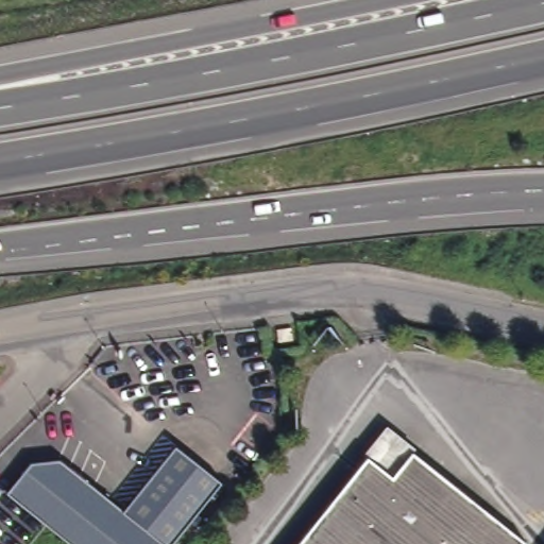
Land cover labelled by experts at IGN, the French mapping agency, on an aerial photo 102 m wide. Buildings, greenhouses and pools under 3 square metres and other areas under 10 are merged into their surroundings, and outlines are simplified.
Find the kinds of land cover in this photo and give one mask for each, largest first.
<instances>
[{"label":"impervious surface","instance_id":"1","mask_svg":"<svg viewBox=\"0 0 544 544\"><path fill-rule=\"evenodd\" d=\"M544 98V0H249L240 4L145 19L89 32L62 34L53 38L0 49V191L15 193L43 187H57L251 151L283 153L310 145H321L325 140H340L346 138V134L351 138H366L385 132H402L410 125L434 123V115L470 108L487 102H525ZM495 225H506V230L544 227V168L423 174L200 202L174 204L159 208H140L0 227V281L4 285H17L23 276H28L26 270L249 251L417 230L474 227L476 232H485L489 238H493L499 234ZM319 310L338 312L353 327L357 344L351 349L334 351L321 366H317L306 387L304 406L295 408V414L283 412L281 372L283 368H291L295 359L283 351L276 355H264L259 332L264 327L276 329L278 342H289L293 338V315ZM397 327H410L431 332L440 342L448 336H465L472 338L476 344L497 340L512 344L521 361L529 359L533 351L544 349V306H538L533 300H514L495 289H480L457 281L434 278L427 274L385 266L319 264L215 278H196L183 285L164 283L130 289H111L98 293H81L0 310V491H9L30 463L62 461L81 478H85L94 489H98L102 495L115 502L119 508H128L136 493L162 465V461L174 448H179L221 482L219 491H210L206 499L208 504L202 510H198L191 519H187V533L181 538L179 544H191L196 538L217 536L225 529L230 533V544H298L312 527V523L323 514V510L332 504V499L340 493L346 480L355 474V470L366 461L370 446L385 431L387 421L400 425L419 442L421 448H417V457L429 463L436 472H440L468 497H472L478 506H482L489 514L504 523L512 533H516V544H544V385L533 380L523 368H495L487 361L476 359L455 361L451 359V355L436 353L431 349L395 351L387 342H383V334L391 336ZM295 425H302L308 431V438L302 446L287 451V472L264 478L261 497L247 502V519L240 523H230L225 527L219 521V512L232 506L238 487L259 478L255 465L261 459L266 461L274 453V448L278 446L276 440L281 436L295 434ZM40 527L34 516H30L13 499H9V495H0V544H23L32 540V531Z\"/></svg>","mask_w":544,"mask_h":544},{"label":"herbaceous vegetation","instance_id":"2","mask_svg":"<svg viewBox=\"0 0 544 544\"><path fill-rule=\"evenodd\" d=\"M249 0H0V49L53 38L62 34L89 32L145 19L240 4ZM434 123L410 125L402 132H385L366 138H351L346 134V138L340 140H325L321 145H310L283 153L251 151L57 187H43L15 193L0 191V227L140 208H159L174 204L170 196L164 191V185L187 174L200 176L206 183V193L200 202L423 174L544 168V98L525 102H487L470 108L434 115ZM510 132H519V134H521V136L525 138V151H523V153H516V151H512V149H510V142H508V134H510ZM463 232H476L474 227L417 230L249 251L26 270L28 276H23L17 285H4L0 281V310L81 293H98L111 289H130L164 283L183 285L196 278H215L319 264L385 266L427 274L434 278L457 281L480 289H495L514 300H533L538 306H544V255L525 257L516 268L508 264V259L497 257L485 270H476V259L472 255L457 251L451 255L448 251H444V240L448 236H459Z\"/></svg>","mask_w":544,"mask_h":544},{"label":"building","instance_id":"3","mask_svg":"<svg viewBox=\"0 0 544 544\"><path fill-rule=\"evenodd\" d=\"M417 448H421L419 442L400 425L387 421L385 431L370 446L366 461L355 470V474L346 480L340 493L332 499V504L323 510V514L312 523V527L298 544H516V533H512L504 523L489 514L482 506H478L472 497H468L440 472H436L429 463L417 457ZM219 491L221 482L179 448H174L162 461V465L136 493L128 508H119L115 502L102 495L98 489H94L85 478H81L62 461L30 463L9 491H0V495H9V499H13L30 516H34L40 527L53 529L68 544H179L181 538L187 533V519H191L198 510H202L208 504L206 499L210 491Z\"/></svg>","mask_w":544,"mask_h":544},{"label":"brushwood","instance_id":"4","mask_svg":"<svg viewBox=\"0 0 544 544\"><path fill-rule=\"evenodd\" d=\"M508 142H510V149H512V151H516V153H523V151H525V138L521 136V134H519V132H510V134H508ZM164 191L170 196L174 204L200 202L206 193V183L200 176L187 174L164 185ZM499 234L493 238H489L485 232H463L459 236H448L444 240V251H448L451 255L457 251L472 255L476 259V270H485L497 257L508 259V264L516 268L525 257L544 255V227L506 230V225H495ZM293 338L289 342H278L276 329L264 327L259 332L264 355H276L283 351L295 359L291 368H283L281 372L283 412L295 414V408L304 406L306 387L317 366H321L334 351L351 349L357 344L353 327L338 312L319 310L293 315ZM23 544H68L53 529L40 527L32 531V540ZM191 544H230V533L225 529L217 536L196 538Z\"/></svg>","mask_w":544,"mask_h":544},{"label":"deciduous trees","instance_id":"5","mask_svg":"<svg viewBox=\"0 0 544 544\"><path fill-rule=\"evenodd\" d=\"M383 342H387L395 351L431 349L436 353L451 355V359L455 361L476 359L487 361L495 368H523L533 380L544 385V349L533 351L529 359L521 361L512 344L497 340L476 344L472 338L465 336H448L440 342L431 332L410 327H397L391 336L383 334ZM308 438V431L302 425H295V434L281 436L276 440L278 446L274 448V453L266 461L261 459L255 465L259 478L238 487L232 506L219 512V521L225 527L230 523H240L247 519V502L261 497L264 478L287 472V451L302 446Z\"/></svg>","mask_w":544,"mask_h":544}]
</instances>
